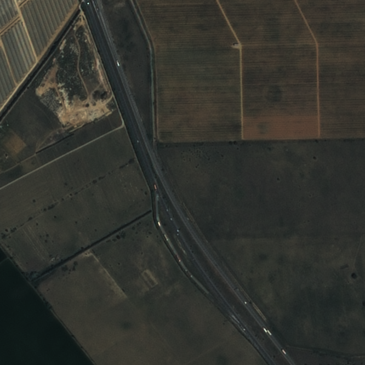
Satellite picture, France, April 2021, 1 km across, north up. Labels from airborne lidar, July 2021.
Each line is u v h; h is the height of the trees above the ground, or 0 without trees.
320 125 0
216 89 0
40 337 0
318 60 0
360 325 0
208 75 0
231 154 0
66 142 0
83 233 0
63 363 0
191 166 0
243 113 0
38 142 0
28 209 0
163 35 0
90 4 0
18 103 0
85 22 0
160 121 0
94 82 0
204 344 0
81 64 0
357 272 0
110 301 0
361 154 0
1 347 0
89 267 0
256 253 0
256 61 0
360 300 0
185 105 0
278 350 0
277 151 0
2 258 0
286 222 0
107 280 0
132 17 0
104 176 0
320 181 0
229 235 0
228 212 0
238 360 0
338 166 0
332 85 0
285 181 0
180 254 0
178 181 0
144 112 0
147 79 0
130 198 0
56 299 0
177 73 0
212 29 0
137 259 0
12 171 0
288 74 0
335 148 0
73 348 0
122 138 0
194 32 0
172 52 0
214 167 0
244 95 0
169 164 0
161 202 0
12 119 0
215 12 0
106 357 0
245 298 0
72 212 0
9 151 0
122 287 0
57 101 0
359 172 0
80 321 0
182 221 0
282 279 0
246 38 0
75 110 0
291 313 0
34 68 0
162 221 0
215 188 0
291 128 0
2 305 0
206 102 0
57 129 0
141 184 0
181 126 0
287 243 0
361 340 0
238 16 0
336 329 0
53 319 0
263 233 0
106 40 0
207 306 0
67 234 0
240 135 0
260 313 0
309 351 0
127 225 6
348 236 0
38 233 0
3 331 0
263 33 0
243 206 0
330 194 0
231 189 0
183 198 0
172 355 0
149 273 0
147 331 0
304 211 0
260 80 0
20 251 0
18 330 0
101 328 0
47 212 0
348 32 0
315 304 0
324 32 0
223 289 0
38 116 0
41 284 0
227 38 0
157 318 0
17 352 0
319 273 0
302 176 0
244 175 0
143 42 0
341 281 0
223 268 0
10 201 0
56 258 0
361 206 0
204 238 0
